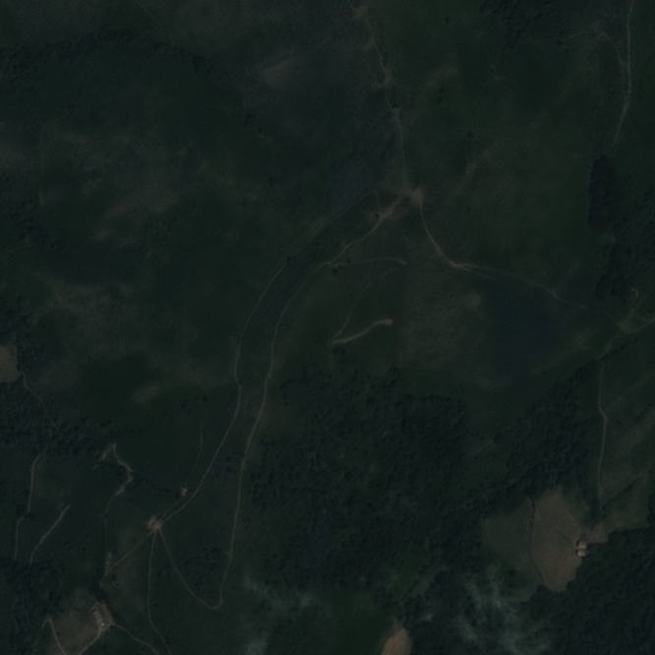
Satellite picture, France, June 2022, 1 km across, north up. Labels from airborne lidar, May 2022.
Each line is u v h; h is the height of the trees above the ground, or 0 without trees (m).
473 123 0
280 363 0
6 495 6
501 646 13
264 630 13
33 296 0
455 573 23
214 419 0
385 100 0
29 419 15
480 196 0
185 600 0
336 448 14
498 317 0
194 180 0
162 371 0
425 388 0
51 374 0
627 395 0
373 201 0
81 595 0
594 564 10
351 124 0
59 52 12
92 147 0
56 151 0
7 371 0
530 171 0
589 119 0
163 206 0
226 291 0
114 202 0
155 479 0
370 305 0
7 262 0
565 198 0
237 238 0
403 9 0
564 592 6
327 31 0
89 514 0
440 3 0
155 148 0
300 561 20
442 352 0
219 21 0
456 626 20
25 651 10
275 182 11
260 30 0
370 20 0
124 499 0
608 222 22
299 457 13
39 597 17
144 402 0
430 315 0
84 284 0
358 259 0
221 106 0
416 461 14
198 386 0
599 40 0
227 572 0
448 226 0
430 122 0
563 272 0
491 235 0
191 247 0
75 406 7
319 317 0
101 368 0
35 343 9
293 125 0
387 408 14
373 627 0
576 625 21
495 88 0
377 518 9
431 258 0
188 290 0
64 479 0
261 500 15
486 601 18
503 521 0
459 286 0
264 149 0
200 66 17
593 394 0
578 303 0
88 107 0
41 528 0
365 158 0
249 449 0
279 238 0
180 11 0
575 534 0
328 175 0
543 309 0
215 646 0
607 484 0
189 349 0
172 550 0
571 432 14
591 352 0
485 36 0
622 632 9
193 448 0
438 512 9
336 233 0
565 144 0
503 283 0
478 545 22
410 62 0
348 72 0
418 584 12
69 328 0
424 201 0
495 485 9
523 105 0
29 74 7
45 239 11
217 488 0
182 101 0
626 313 0
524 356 0
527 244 0
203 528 0
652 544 20
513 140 0
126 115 0
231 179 0
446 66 0
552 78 0
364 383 11
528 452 5
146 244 0
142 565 0
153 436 0
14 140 0
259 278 0
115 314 0
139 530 0
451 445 13
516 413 0
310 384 19
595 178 16
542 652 13
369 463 8
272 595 13
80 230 0
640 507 0
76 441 7
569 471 16
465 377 0
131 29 7
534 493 16
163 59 0
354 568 13
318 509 16
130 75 0
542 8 12
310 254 0
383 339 0
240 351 0
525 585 0
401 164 0
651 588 13
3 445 7
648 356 0
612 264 10
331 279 0
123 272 0
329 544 16
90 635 0
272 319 0
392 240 0
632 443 0
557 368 0
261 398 0
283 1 0
